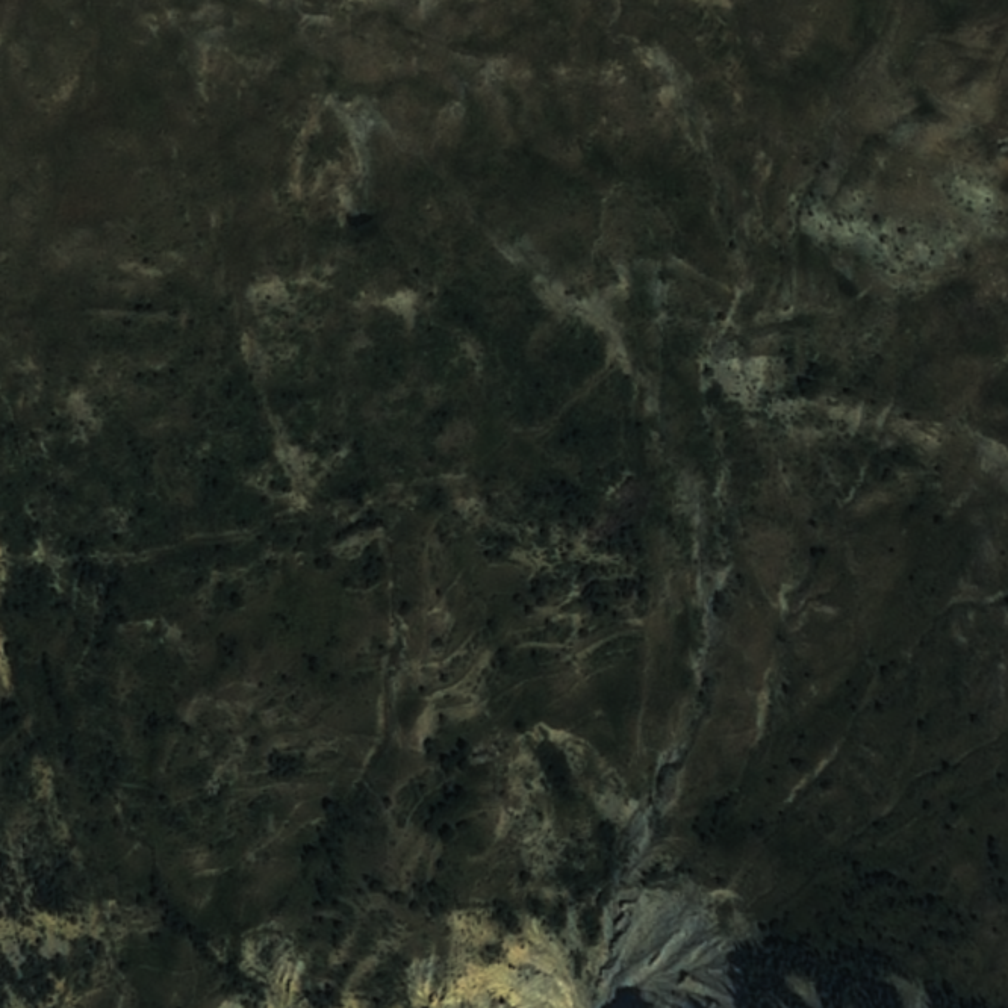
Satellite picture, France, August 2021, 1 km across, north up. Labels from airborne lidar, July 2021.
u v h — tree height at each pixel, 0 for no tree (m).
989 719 0
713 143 0
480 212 0
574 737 0
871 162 0
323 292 0
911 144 0
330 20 0
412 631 0
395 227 0
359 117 0
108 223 0
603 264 0
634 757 0
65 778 0
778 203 0
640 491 0
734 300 0
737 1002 0
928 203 0
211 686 0
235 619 0
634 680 0
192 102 0
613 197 0
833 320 0
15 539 0
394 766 0
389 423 0
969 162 0
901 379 0
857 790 0
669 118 0
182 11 0
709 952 0
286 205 0
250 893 0
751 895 0
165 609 0
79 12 0
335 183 0
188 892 0
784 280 0
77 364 0
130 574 0
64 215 0
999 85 0
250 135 0
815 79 0
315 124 0
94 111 0
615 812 0
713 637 0
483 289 0
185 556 0
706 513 0
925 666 0
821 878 0
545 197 0
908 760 0
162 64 0
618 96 0
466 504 0
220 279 0
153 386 0
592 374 0
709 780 0
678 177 0
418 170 0
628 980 0
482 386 0
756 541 0
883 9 0
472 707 0
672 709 0
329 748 0
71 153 0
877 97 0
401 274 0
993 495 0
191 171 0
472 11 0
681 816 0
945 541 0
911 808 0
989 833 0
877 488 0
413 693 0
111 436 0
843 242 0
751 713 0
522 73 0
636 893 0
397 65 0
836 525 0
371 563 8
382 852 0
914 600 0
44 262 0
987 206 0
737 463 0
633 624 0
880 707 8
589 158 0
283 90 0
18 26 0
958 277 0
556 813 0
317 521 0
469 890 0
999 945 0
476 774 0
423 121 0
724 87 0
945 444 0
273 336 0
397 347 0
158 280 0
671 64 0
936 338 0
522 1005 0
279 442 0
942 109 0
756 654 0
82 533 0
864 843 0
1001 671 0
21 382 0
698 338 0
